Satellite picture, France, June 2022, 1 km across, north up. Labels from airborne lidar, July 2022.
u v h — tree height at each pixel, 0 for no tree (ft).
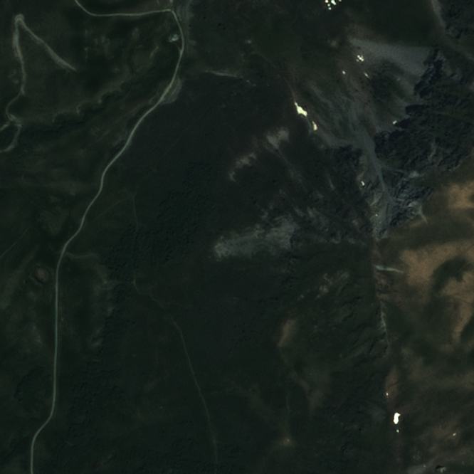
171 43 0
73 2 0
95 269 0
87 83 0
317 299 0
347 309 0
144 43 0
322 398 0
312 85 0
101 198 0
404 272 0
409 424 0
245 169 0
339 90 0
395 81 0
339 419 0
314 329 0
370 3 0
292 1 0
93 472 0
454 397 0
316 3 0
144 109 0
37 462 0
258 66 0
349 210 0
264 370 0
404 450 0
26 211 0
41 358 0
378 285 0
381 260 0
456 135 0
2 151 0
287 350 0
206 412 0
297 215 0
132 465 0
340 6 0
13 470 0
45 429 0
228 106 0
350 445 0
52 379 0
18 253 0
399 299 0
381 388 0
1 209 0
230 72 0
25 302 0
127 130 0
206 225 0
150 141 0
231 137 0
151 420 0
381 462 0
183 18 0
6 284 0
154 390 0
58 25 0
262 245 0
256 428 0
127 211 0
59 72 0
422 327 0
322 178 0
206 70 0
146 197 0
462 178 0
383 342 0
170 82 0
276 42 0
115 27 0
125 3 0
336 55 0
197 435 0
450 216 0
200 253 0
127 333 0
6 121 0
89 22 0
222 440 0
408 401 0
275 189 0
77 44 0
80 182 0
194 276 0
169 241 21
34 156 0
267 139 0
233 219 0
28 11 0
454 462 0
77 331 0
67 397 0
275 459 0
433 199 0
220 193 0
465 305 0
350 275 0
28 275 0
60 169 0
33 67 0
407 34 0
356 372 0
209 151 0
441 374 0
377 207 0
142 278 0
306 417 0
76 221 0
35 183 0
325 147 0
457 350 0
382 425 0
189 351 0
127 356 0
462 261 0
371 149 0
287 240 0
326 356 0
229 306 0
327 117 0
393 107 0
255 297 0
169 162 0
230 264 0
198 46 0
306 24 0
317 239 0
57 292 0
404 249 0
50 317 0
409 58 0
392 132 0
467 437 0
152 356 0
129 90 0
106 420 0
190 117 0
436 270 0
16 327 0
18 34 0
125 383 0
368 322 0
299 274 0
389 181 0
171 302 0
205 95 0
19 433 0
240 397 0
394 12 0
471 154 0
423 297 0
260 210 0
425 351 0
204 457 0
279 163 0
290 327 0
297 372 0
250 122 0
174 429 0
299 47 0
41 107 0
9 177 0
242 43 0
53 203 0
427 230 0
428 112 0
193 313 0
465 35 0
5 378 0
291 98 0
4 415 0
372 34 0
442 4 0
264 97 0
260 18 0
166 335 0
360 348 0
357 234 0
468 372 0
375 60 0
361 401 0
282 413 0
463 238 0
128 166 0
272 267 0
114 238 0
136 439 0
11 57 0
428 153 0
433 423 0
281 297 0
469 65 0
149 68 0
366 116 0
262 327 0
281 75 0
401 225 0
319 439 0
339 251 0
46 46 0
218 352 0
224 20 0
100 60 0
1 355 0
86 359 0
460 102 0
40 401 0
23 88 0
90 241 0
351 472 0
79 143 0
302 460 0
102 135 0
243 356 0
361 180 0
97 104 0
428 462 0
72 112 0
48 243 0
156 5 0
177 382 0
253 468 0
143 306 0
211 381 0
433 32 0
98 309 0
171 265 0
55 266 0
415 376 0
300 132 0
